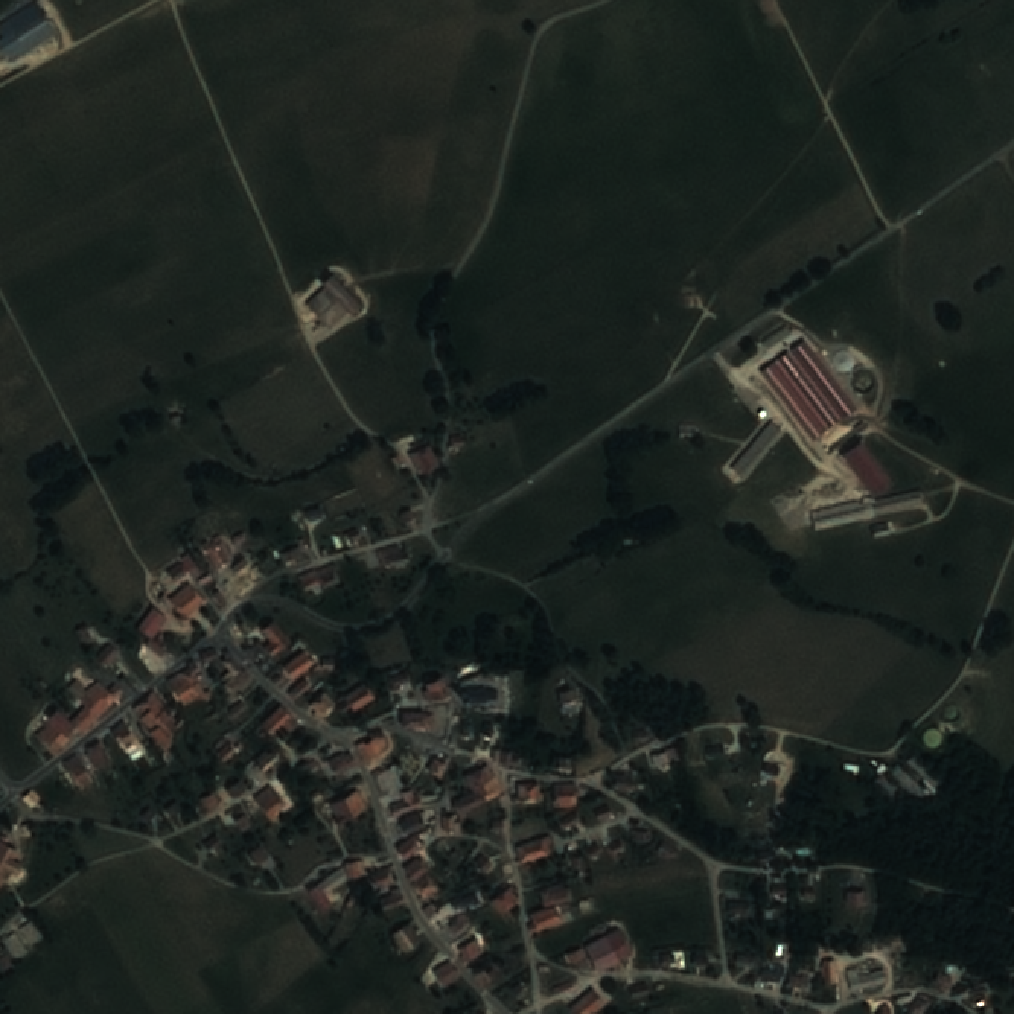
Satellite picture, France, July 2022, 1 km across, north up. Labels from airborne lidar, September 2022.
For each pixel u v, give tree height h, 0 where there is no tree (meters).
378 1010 0
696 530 0
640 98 0
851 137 0
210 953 0
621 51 0
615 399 0
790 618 0
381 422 0
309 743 10
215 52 0
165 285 0
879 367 0
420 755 0
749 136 0
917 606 0
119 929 0
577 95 0
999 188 0
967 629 0
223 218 0
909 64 0
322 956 0
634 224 0
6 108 0
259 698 6
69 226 0
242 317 0
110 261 0
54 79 0
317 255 0
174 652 0
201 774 14
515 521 0
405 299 0
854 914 0
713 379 0
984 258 0
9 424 0
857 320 0
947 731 0
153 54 0
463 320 0
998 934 18
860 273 0
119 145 0
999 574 0
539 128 0
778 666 0
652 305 0
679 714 9
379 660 0
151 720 0
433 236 0
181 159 0
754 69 0
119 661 0
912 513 0
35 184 0
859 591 0
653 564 0
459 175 0
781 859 14
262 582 0
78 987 0
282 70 0
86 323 0
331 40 0
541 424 0
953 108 0
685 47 0
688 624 0
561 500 0
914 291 0
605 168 0
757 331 0
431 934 0
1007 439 0
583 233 0
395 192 0
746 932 12
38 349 0
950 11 0
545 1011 0
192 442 0
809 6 0
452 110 0
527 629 0
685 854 0
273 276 0
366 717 15
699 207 0
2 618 0
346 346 0
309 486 0
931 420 13
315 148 0
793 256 0
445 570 14
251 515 0
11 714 0
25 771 0
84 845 0
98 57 0
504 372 0
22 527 0
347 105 0
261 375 0
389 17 0
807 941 18
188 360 9
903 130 0
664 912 0
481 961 7
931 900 9
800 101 0
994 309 0
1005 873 19
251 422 0
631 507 19
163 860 0
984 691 0
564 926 0
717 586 0
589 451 0
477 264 0
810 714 0
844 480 0
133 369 0
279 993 0
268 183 0
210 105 0
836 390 0
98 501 0
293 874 0
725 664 0
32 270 0
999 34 0
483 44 0
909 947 8
